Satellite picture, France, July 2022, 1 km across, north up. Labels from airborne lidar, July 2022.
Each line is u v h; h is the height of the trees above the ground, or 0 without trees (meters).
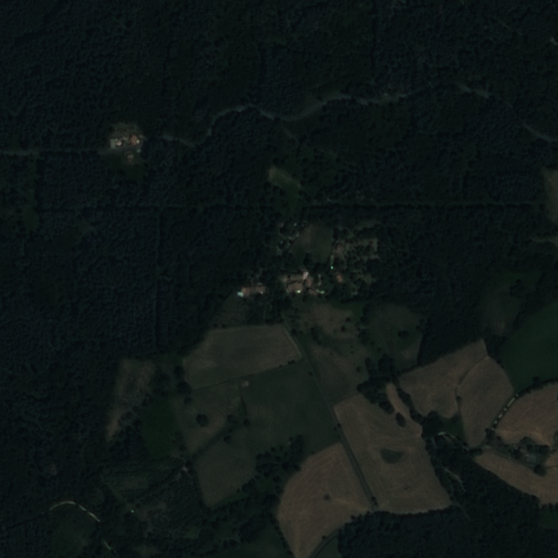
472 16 22
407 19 21
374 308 26
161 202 27
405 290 8
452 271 18
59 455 23
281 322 10
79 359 34
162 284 28
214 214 23
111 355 6
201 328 15
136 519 7
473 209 18
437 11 32
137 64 11
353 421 0
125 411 0
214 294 17
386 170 24
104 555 13
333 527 0
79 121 24
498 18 20
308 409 0
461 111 20
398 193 21
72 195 34
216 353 0
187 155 11
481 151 18
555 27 19
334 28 8
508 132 36
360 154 22
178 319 23
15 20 34
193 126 23
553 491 0
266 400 0
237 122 30
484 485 19
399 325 0
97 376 17
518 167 22
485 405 0
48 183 32
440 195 18
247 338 0
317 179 14
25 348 33
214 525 18
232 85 9
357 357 0
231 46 7
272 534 0
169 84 22
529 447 12
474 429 0
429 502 0
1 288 38
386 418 0
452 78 21
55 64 38
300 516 0
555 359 0
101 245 38
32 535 16
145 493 8
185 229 22
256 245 17
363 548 24
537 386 14
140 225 38
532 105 20
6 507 19
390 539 21
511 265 13
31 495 11
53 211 24
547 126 23
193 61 22
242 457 0
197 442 0
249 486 14
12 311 35
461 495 15
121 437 7
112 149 0
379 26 35
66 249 20
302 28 26
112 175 34
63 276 20
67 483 24
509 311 0
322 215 22
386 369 15
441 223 17
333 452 0
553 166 19
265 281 19
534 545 11
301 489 0
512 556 10
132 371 0
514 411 0
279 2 16
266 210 18
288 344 0
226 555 0
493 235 24
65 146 28
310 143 18
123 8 30
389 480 0
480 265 16
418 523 23
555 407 0
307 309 0
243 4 6
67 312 30
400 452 0
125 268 36
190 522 6
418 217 28
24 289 19
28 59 36
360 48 10
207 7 30
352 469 0
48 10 10
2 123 30
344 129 21
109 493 12
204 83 11
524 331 0
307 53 19
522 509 13
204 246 27
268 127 20
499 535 9
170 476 8
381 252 19
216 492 0
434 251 24
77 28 41
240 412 0
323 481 0
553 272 17
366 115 22
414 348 0
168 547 14
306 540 0
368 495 0
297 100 34
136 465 7
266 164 19
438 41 33
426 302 16
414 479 0
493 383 0
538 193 31
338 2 23
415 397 0
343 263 6
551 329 0
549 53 7
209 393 0
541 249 23
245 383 0
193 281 14
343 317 0
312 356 0
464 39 18
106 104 17
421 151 20
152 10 10
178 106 27
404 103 18
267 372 0
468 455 10
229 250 23
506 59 24
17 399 29
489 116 30
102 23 24
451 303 17
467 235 20
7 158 17
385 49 20
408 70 23
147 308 29
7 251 27
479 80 7
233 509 13
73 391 28
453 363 0
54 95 37
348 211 21
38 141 34
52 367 18
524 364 0
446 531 26
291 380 0
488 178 24
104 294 40
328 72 22
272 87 34
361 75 14
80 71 26
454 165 23
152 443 0
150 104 12
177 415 0
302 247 0
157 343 21
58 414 29
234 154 25
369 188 27
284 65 38
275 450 13
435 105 32
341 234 15
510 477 0
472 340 11
